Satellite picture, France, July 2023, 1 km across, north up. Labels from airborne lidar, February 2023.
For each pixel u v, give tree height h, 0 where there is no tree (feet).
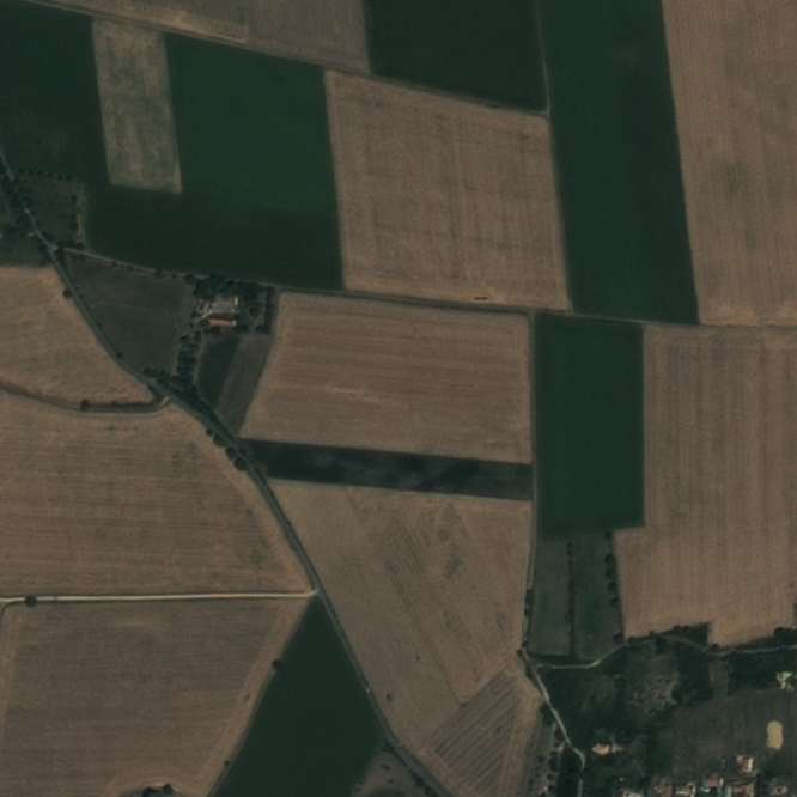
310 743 0
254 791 0
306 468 0
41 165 0
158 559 0
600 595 0
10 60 0
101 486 0
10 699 0
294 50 0
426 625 0
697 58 0
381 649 0
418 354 0
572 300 0
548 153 0
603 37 0
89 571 0
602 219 0
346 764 0
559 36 0
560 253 0
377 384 0
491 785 0
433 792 31
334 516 0
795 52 0
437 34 0
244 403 0
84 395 0
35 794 0
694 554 0
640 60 0
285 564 0
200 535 0
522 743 0
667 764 0
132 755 0
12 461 0
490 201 0
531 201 0
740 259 0
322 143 0
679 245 0
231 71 0
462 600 0
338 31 0
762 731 0
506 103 0
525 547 0
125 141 0
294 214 0
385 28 0
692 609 0
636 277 0
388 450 0
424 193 0
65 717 0
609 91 0
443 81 0
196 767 0
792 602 0
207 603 0
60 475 0
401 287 0
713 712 0
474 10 0
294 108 0
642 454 0
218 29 0
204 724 0
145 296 0
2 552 0
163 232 0
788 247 0
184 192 0
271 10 0
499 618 0
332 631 0
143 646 0
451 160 0
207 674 0
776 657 18
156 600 0
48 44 0
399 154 0
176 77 0
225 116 0
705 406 0
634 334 0
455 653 0
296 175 0
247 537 0
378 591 0
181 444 0
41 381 0
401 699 0
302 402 0
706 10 0
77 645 0
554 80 0
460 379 0
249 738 0
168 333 0
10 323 0
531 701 0
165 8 0
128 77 0
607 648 0
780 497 0
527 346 0
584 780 30
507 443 0
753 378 0
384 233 0
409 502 0
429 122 0
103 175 0
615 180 0
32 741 0
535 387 0
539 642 0
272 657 0
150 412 0
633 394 0
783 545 0
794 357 0
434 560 0
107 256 0
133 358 0
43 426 0
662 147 0
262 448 0
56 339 0
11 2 0
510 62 0
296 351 0
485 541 0
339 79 0
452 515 0
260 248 0
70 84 0
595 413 0
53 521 0
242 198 0
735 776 0
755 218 0
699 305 0
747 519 0
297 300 0
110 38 0
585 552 0
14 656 0
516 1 0
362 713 0
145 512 0
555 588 0
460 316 0
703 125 0
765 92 0
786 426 0
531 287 0
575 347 0
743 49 0
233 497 0
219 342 0
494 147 0
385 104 0
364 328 0
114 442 0
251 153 0
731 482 0
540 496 0
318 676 0
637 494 0
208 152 0
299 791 0
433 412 0
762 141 0
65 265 19
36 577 0
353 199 0
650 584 0
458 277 0
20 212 46
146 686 0
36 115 0
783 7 0
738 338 0
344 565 0
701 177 0
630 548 0
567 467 0
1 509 0
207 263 0
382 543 0
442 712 0
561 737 32
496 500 0
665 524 0
